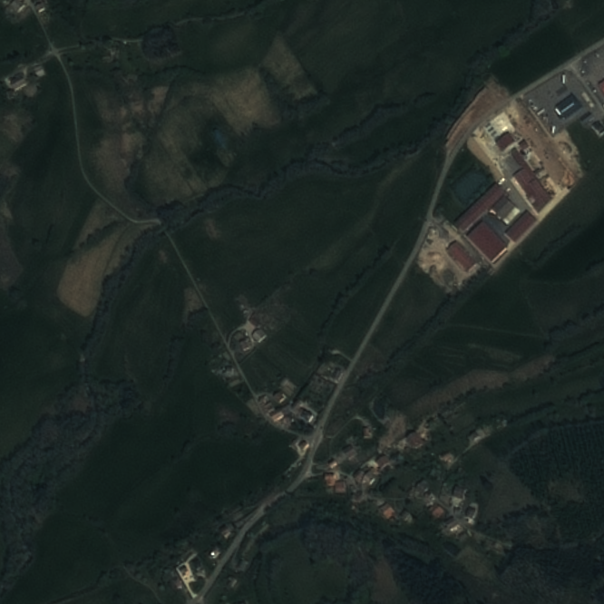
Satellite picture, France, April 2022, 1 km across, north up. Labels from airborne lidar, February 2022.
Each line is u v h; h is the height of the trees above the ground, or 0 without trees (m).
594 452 10
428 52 0
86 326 0
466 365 0
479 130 0
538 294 0
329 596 0
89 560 0
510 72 0
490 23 0
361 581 25
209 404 0
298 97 0
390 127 0
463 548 0
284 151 0
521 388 0
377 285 0
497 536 11
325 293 0
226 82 0
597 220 0
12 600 0
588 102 0
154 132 0
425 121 0
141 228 0
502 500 0
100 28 0
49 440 24
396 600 0
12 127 0
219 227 0
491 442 0
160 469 0
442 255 0
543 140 0
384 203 0
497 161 0
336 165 8
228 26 0
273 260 0
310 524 10
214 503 0
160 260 0
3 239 0
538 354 0
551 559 19
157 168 0
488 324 0
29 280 0
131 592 0
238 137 0
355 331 0
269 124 0
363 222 0
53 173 0
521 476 8
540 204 0
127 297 0
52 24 0
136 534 0
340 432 0
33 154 0
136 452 0
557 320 0
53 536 0
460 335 0
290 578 0
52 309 0
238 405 0
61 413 21
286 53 0
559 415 9
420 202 0
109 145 0
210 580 0
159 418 0
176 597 0
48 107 0
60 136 0
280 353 0
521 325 0
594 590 8
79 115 0
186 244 0
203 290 0
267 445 0
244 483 0
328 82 0
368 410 0
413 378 0
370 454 0
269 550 17
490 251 0
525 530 25
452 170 0
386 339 0
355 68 0
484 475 0
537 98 0
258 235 0
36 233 0
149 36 9
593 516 8
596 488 7
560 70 0
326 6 0
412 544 25
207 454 0
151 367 0
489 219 0
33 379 0
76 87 0
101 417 23
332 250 0
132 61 8
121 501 0
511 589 26
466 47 0
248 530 0
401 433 0
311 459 0
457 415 0
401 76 0
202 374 0
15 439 0
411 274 0
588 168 0
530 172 0
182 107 0
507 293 0
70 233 0
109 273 0
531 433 0
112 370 0
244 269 0
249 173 0
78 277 0
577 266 0
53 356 0
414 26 0
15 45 0
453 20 0
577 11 0
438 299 0
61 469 22
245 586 0
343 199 0
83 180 0
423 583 35
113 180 0
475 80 12
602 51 0
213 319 0
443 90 0
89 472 0
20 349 0
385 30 0
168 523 0
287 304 0
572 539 10
